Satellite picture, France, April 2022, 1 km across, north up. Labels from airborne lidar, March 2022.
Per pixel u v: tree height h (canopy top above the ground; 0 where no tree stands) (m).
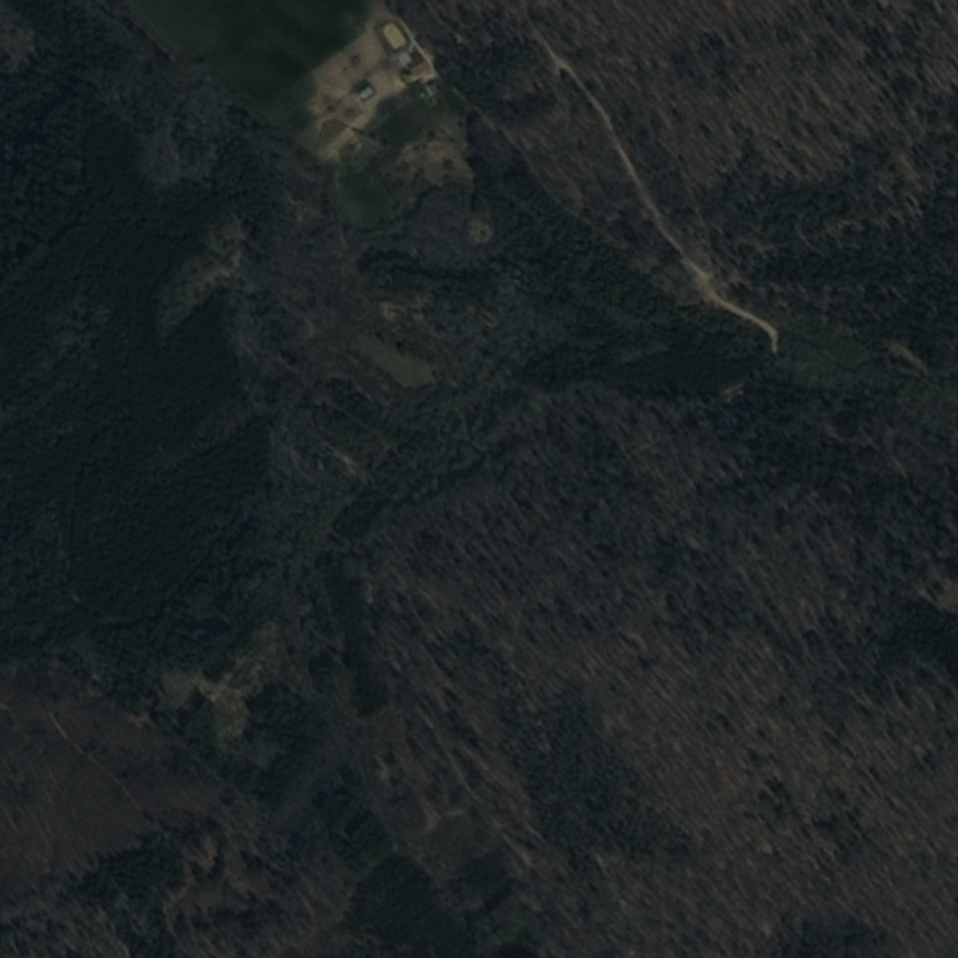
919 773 21
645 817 26
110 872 23
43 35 26
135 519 14
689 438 23
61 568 32
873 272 18
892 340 18
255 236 11
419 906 6
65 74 14
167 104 15
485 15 25
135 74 16
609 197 16
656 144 22
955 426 9
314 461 14
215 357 17
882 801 23
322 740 19
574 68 20
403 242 13
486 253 17
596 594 26
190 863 28
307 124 0
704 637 31
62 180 44
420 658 24
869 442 29
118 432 10
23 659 20
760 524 22
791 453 9
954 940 24
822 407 22
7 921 27
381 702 11
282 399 15
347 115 0
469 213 17
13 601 32
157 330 18
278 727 28
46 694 7
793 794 20
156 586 21
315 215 0
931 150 20
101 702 7
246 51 0
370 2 0
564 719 20
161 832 27
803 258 20
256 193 31
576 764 28
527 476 28
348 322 6
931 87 29
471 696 23
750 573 28
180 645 27
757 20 25
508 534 27
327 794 17
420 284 29
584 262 10
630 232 23
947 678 25
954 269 24
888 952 30
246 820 29
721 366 14
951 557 29
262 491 13
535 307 25
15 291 23
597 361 8
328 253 14
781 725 22
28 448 20
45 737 7
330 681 25
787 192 21
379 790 21
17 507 11
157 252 18
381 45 0
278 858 9
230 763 23
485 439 9
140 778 10
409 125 0
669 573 20
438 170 0
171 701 24
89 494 23
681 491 25
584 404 24
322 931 29
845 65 24
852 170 23
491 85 28
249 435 14
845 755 20
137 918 20
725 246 24
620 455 23
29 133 14
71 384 17
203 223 15
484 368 11
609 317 13
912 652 22
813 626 27
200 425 14
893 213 20
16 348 19
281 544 19
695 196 23
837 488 15
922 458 25
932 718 26
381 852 30
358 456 5
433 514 30
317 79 0
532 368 9
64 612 30
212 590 27
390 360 0
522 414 28
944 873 21
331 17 0
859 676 24
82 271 25
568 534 28
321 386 10
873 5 28
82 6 23
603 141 20
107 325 23
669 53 24
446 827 0
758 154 22
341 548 9
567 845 28
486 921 16
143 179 19
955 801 24
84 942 20
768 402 17
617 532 25
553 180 22
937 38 27
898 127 21
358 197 0
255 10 0
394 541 25
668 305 14
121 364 18
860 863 24
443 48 18
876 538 15
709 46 23
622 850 25
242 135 24
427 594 29
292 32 0
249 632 16
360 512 11
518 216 16
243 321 20
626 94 20
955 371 24
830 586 25
